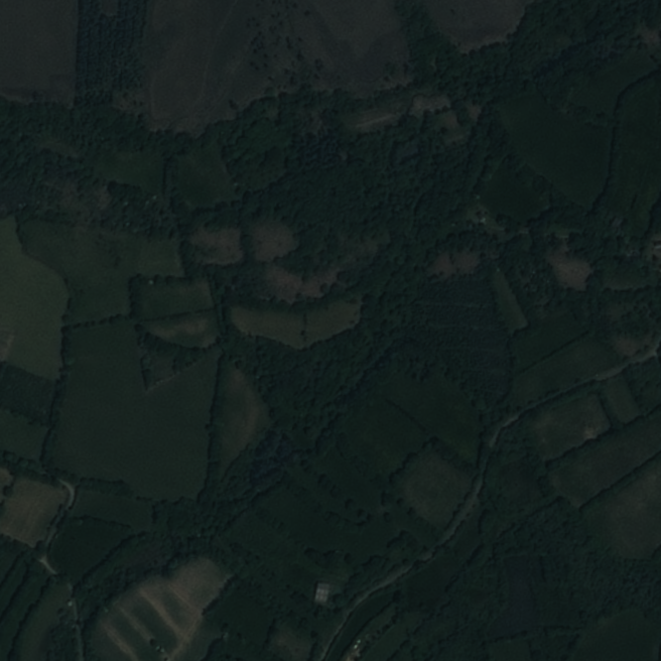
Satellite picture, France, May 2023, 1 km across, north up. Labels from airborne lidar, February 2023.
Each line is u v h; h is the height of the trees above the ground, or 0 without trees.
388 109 0
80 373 0
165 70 0
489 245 14
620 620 0
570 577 12
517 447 10
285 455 24
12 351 0
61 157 17
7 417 0
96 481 8
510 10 0
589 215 17
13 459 14
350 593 9
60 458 0
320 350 13
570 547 6
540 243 15
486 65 14
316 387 13
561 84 16
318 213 19
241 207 11
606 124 7
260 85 0
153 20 0
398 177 19
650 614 15
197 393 0
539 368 0
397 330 12
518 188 0
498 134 16
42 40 0
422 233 18
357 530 12
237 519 10
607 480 0
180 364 9
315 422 9
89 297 0
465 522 7
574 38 13
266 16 0
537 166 0
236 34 0
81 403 0
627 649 0
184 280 9
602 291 11
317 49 0
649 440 0
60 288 0
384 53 0
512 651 0
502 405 11
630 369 9
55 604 0
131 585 9
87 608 9
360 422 0
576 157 0
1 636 11
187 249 13
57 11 0
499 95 13
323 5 0
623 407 0
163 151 13
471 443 0
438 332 6
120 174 0
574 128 0
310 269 10
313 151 16
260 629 0
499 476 0
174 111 0
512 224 15
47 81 0
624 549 0
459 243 11
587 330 11
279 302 10
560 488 0
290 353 12
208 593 0
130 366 0
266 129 16
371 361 12
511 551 15
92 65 20
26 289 0
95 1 19
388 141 11
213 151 0
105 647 0
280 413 17
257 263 9
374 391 19
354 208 20
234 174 8
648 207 0
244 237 11
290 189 17
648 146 0
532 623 0
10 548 10
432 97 0
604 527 0
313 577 0
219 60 0
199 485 0
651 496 0
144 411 0
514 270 15
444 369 8
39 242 0
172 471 0
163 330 0
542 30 7
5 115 11
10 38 0
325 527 0
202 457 0
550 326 0
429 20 9
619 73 0
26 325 0
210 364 0
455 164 12
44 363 0
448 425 0
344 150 18
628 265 19
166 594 0
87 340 0
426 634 10
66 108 8
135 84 10
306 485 0
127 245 0
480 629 15
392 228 16
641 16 11
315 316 0
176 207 19
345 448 15
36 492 0
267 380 10
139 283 8
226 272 11
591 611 8
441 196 18
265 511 10
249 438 0
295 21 0
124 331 0
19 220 8
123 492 12
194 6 0
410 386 0
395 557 0
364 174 21
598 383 11
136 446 0
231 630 9
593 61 19
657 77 17
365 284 13
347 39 0
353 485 0
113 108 8
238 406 0
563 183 0
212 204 0
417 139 11
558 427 0
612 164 10
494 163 15
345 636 0
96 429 0
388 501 14
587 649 0
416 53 13
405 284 15
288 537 10
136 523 0
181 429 0
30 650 0
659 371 7
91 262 0
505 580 7
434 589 0
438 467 0
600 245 16
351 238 7
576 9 6
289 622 9
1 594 7
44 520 0
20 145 7
